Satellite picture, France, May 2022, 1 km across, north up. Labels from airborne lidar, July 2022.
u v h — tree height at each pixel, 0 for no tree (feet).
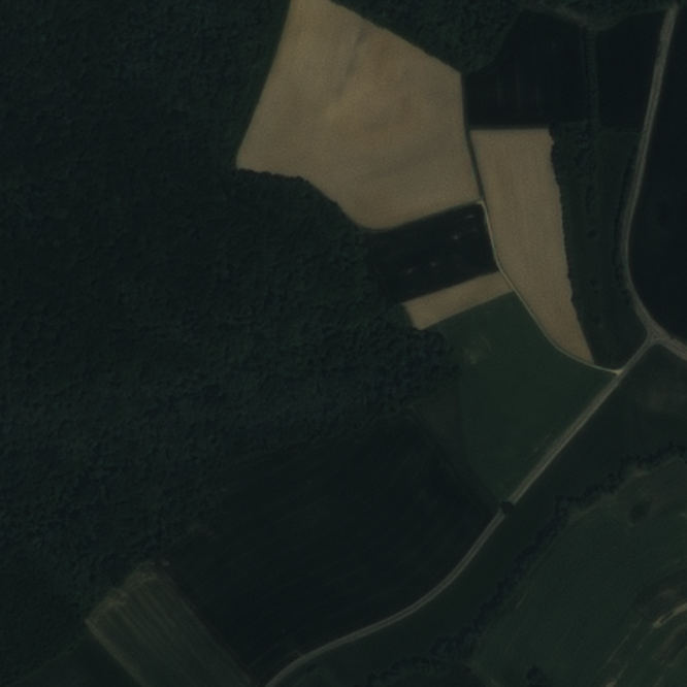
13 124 97
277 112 0
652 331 0
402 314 74
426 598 0
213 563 0
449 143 0
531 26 0
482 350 0
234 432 85
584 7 68
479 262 0
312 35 0
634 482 0
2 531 97
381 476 0
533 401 0
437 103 0
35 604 53
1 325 105
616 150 0
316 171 0
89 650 0
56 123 103
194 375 95
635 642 0
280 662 0
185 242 94
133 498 90
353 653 0
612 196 0
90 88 106
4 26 65
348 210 0
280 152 0
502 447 0
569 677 0
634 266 0
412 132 0
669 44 0
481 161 0
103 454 77
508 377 0
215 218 97
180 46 94
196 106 60
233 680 0
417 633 0
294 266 78
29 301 104
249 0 92
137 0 86
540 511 0
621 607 0
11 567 51
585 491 0
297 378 31
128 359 109
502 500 0
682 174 0
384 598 0
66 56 95
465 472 0
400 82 0
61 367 111
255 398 88
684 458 51
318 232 97
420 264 0
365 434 0
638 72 0
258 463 0
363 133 0
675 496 0
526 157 0
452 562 0
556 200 0
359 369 91
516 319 0
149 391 81
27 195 100
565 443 0
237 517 0
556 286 0
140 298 84
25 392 95
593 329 0
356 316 88
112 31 90
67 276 105
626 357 0
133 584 0
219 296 91
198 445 83
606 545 0
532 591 0
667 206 0
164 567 0
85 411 89
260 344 100
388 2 91
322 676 0
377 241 0
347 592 0
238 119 45
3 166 95
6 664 51
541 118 0
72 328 111
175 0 86
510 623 0
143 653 0
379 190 0
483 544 0
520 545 0
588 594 0
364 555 0
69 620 55
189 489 86
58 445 91
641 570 0
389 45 0
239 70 96
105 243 92
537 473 0
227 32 77
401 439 0
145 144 95
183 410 94
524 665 0
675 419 0
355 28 0
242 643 0
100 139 104
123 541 87
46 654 53
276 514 0
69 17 110
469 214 0
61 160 83
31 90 85
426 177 0
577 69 0
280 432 96
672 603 0
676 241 0
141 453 85
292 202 80
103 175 103
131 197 108
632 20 0
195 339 86
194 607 0
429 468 0
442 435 0
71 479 93
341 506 0
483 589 0
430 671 59
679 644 0
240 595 0
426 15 77
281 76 0
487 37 19
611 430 0
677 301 0
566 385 0
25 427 81
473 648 69
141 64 84
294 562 0
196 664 0
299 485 0
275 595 0
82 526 73
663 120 0
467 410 0
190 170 104
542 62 0
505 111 0
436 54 23
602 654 0
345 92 0
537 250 0
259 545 0
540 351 0
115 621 0
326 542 0
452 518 0
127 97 104
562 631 0
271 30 42
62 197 101
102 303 110
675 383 0
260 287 101
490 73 0
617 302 0
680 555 0
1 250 107
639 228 0
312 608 0
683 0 31
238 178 67
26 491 82
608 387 0
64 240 104
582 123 0
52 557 69
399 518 0
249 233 98
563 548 0
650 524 0
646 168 0
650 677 0
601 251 0
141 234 98
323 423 87
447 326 0
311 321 87
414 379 87
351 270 79
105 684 0
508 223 0
